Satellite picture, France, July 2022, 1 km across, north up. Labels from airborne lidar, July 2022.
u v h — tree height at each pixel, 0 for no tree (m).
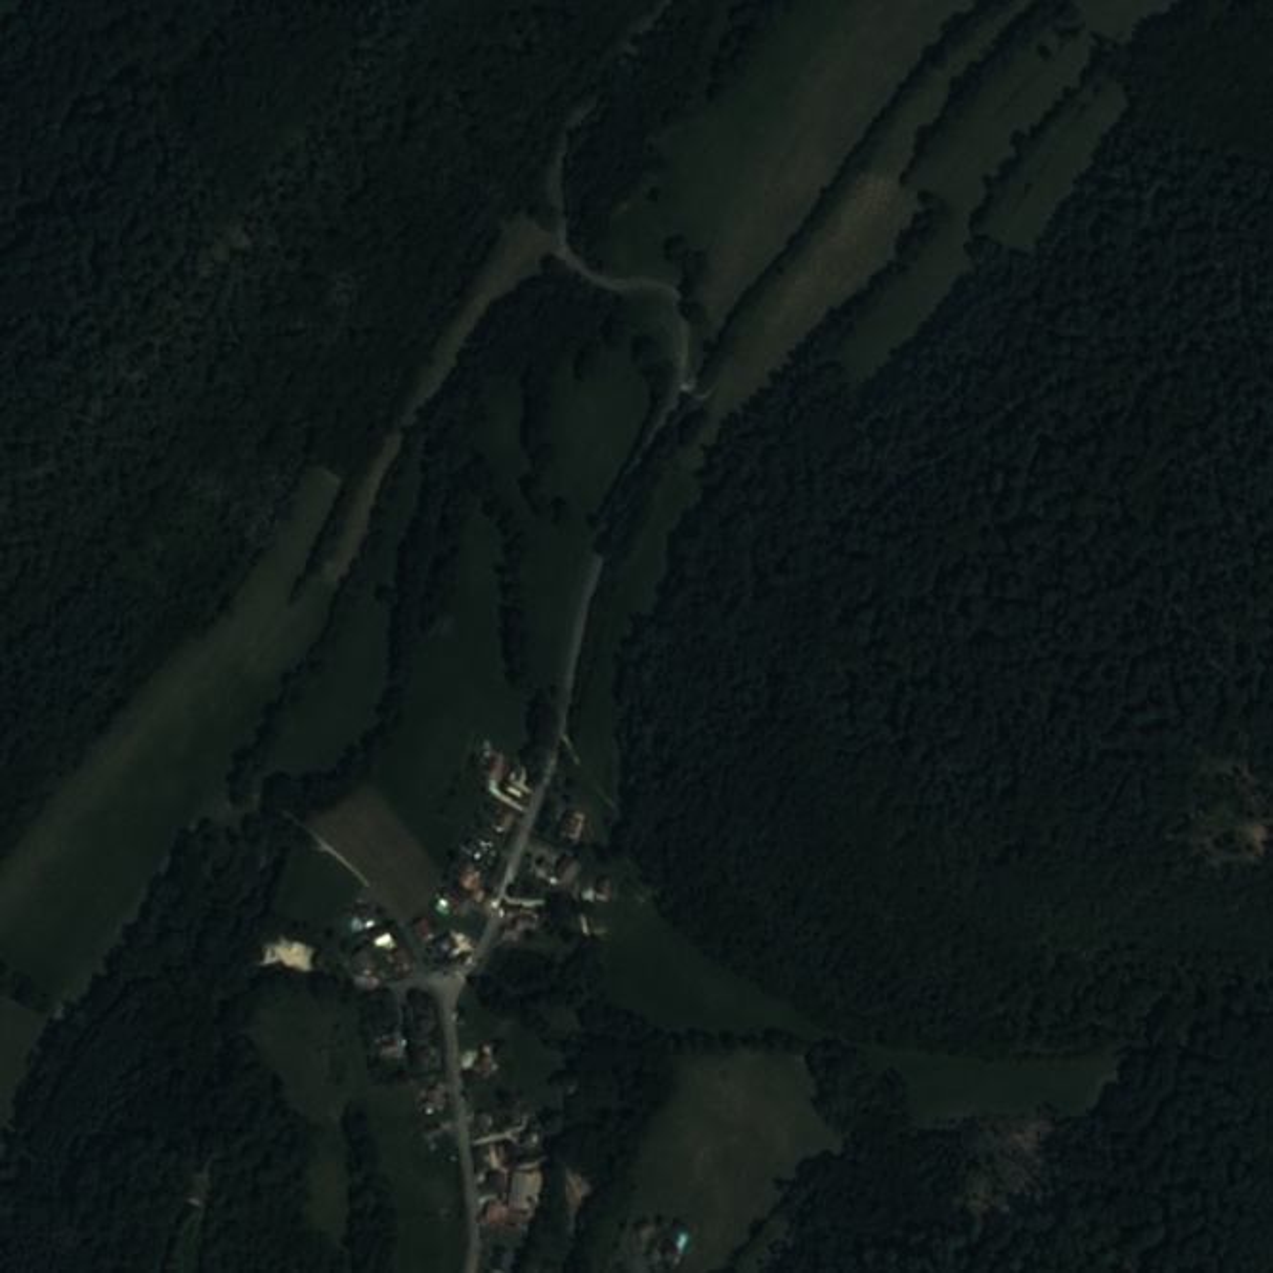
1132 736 27
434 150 25
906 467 25
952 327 27
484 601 0
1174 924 12
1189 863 17
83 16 24
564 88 14
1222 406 14
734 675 25
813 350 15
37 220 35
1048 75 0
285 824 17
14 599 29
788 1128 0
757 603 24
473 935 0
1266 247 26
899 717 26
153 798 0
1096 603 29
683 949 0
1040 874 9
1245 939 16
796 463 21
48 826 0
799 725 22
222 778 0
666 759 15
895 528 22
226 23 8
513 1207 0
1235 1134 29
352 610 15
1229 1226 23
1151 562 22
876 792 20
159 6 31
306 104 7
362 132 26
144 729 0
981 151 0
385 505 11
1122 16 0
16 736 21
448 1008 0
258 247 23
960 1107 0
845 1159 7
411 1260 0
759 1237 14
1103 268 23
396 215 24
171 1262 19
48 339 8
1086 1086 0
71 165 35
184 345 18
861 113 0
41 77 33
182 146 29
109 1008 15
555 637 0
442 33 17
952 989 24
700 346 0
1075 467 29
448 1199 0
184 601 20
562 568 0
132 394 20
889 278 11
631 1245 0
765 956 16
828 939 19
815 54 0
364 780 19
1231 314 24
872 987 29
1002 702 26
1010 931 19
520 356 25
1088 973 25
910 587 27
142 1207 29
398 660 20
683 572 26
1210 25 11
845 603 15
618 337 24
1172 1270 26
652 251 0
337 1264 18
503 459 0
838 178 6
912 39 0
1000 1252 17
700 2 14
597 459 0
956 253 0
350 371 29
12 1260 29
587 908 12
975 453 29
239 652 0
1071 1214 37
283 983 28
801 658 25
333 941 12
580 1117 10
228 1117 12
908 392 30
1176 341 18
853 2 0
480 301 0
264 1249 34
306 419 24
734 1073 0
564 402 0
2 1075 0
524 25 33
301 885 0
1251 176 23
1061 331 30
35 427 23
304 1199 16
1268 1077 15
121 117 36
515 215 7
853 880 25
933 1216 11
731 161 0
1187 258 16
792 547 24
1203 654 28
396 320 22
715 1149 0
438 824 0
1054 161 0
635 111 20
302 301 37
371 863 0
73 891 0
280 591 0
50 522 25
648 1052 20
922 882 20
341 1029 8
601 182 20
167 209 27
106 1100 14
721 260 0
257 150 7
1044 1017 33
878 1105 12
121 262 22
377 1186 24
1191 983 33
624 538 24
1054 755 16
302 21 12
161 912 6
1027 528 29
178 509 21
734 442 19
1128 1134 20
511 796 7
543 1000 22
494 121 26
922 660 20
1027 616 28
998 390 26
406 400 14
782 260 8
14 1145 25
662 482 12
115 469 7
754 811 28
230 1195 25
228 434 27
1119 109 0
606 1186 20
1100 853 13
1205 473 22
